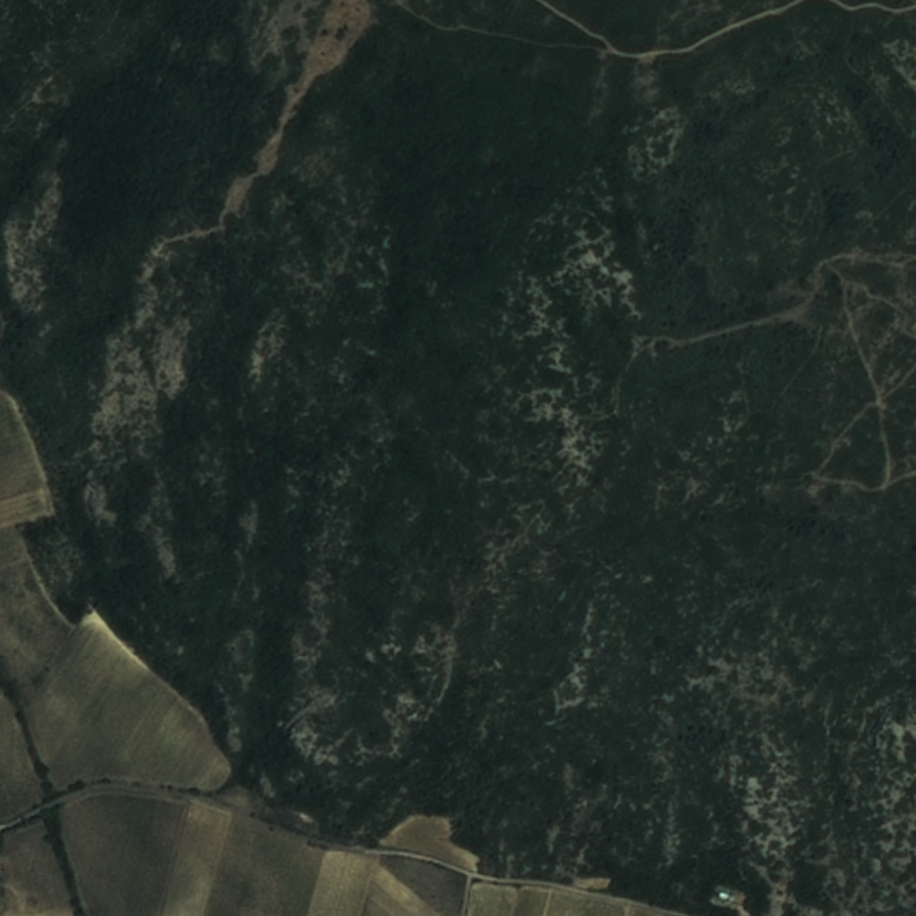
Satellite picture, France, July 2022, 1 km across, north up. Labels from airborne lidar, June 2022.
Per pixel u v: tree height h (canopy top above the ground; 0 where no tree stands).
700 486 0
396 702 0
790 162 0
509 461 6
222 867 0
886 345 0
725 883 7
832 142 0
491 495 0
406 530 0
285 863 0
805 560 0
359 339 0
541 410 0
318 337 0
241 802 0
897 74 0
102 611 7
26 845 0
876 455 0
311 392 0
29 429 6
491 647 0
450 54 0
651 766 0
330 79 0
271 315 0
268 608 6
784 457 0
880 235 0
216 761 0
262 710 7
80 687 0
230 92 5
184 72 9
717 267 0
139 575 6
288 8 0
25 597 0
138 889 0
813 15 0
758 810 0
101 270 6
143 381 0
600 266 0
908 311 0
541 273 0
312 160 0
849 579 0
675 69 0
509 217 0
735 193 0
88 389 0
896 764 0
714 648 0
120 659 0
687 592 0
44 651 0
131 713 0
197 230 0
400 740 0
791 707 0
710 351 6
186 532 5
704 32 0
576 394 0
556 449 0
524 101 0
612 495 0
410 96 6
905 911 0
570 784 0
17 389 6
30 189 7
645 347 0
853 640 0
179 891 0
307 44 0
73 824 0
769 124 0
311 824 0
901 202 0
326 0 0
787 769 0
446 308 0
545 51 0
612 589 0
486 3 0
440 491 0
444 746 6
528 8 0
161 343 0
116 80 6
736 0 0
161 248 0
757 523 0
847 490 0
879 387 0
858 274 0
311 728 0
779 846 0
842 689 0
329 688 0
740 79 0
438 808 6
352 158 0
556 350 0
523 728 0
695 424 0
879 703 0
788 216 0
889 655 0
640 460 0
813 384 0
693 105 0
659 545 0
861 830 0
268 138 0
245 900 0
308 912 0
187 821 0
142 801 0
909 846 0
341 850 0
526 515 0
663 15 0
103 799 0
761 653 0
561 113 0
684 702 0
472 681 7
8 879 0
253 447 6
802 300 0
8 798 0
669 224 9
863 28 0
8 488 0
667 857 0
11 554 0
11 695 6
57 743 0
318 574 0
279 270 0
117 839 0
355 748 0
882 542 0
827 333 0
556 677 0
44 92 6
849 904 10
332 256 0
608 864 6
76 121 6
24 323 6
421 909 0
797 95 0
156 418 0
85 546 7
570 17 0
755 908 7
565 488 0
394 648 0
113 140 6
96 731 0
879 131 8
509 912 0
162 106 6
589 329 0
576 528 0
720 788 0
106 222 6
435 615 0
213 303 0
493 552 0
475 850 7
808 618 0
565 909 0
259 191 0
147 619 6
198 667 0
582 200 0
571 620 0
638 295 0
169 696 0
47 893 0
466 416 0
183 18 7
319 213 0
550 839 0
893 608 0
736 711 0
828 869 0
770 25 0
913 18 0
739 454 0
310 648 0
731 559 0
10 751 0
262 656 6
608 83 0
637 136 0
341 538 0
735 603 0
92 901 0
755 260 0
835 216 7
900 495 0
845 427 0
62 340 6
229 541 6
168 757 0
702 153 8
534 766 0
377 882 0
